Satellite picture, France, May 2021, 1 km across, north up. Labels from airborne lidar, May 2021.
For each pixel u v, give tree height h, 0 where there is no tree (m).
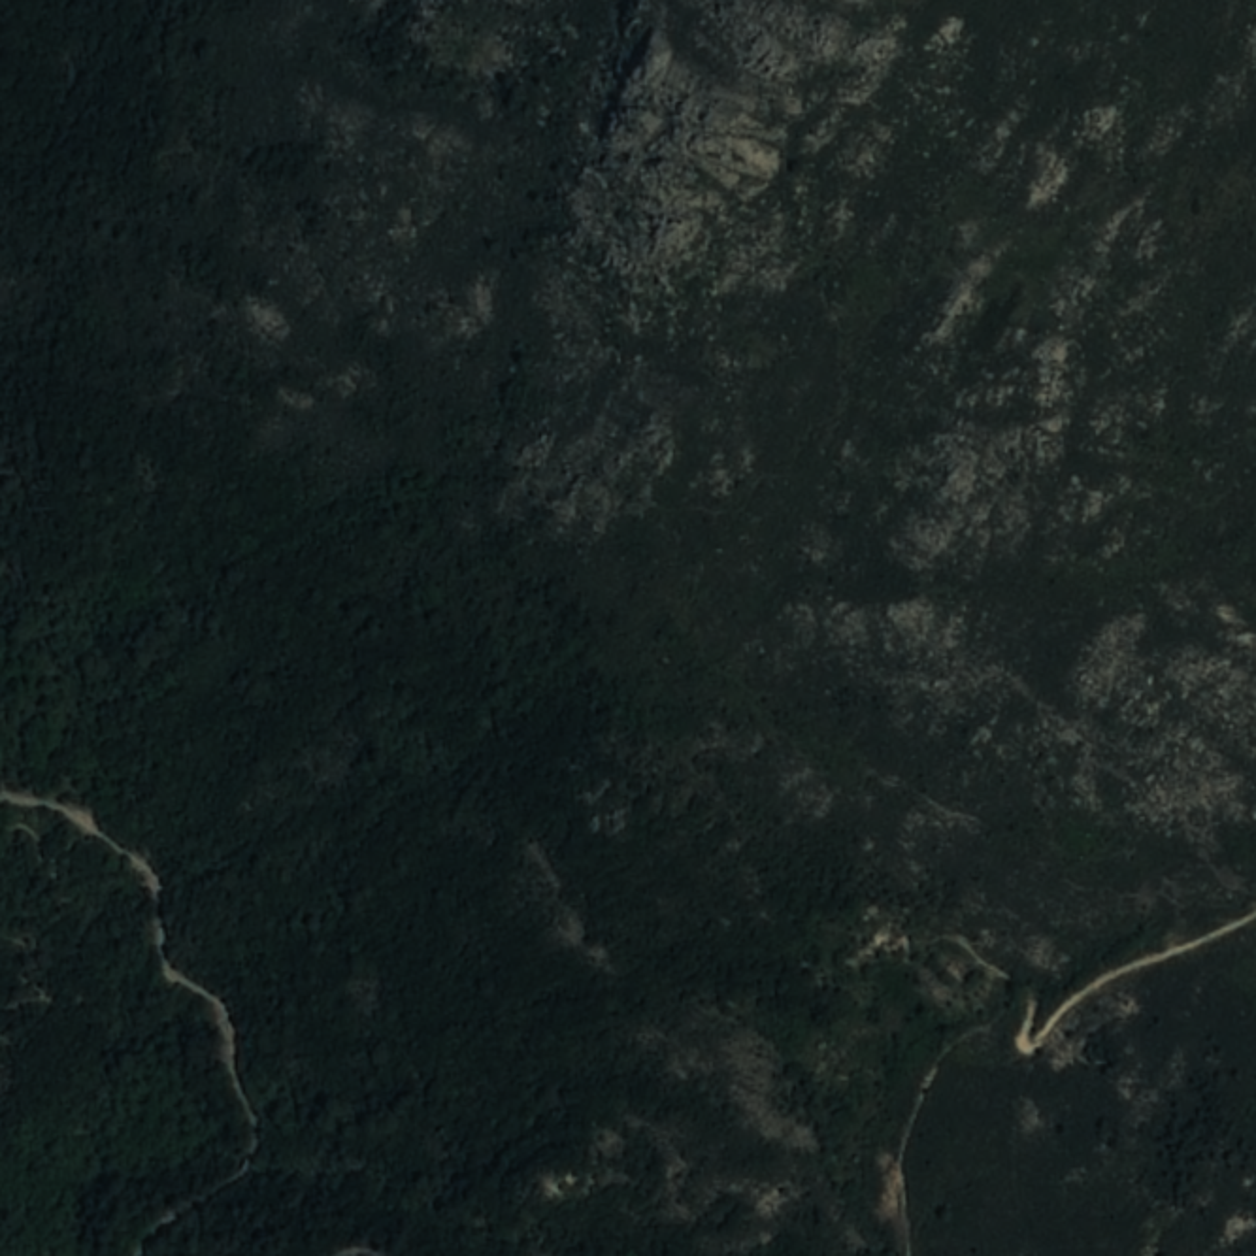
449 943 7
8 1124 14
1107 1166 0
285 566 11
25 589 13
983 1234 0
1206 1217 8
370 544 9
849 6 0
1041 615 0
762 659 6
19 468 15
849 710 11
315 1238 17
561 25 8
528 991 10
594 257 6
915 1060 6
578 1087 12
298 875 7
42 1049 17
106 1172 12
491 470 8
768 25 0
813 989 13
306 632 15
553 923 7
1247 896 0
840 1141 12
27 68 12
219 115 8
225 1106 13
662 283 14
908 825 0
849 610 0
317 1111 12
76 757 14
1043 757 7
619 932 6
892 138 0
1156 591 0
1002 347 0
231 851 6
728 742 0
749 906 9
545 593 10
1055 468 0
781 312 0
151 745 14
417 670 17
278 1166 13
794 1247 10
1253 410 0
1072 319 0
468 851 10
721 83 0
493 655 10
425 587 14
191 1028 16
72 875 9
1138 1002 0
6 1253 13
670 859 6
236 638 9
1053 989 7
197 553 14
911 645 0
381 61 13
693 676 7
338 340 6
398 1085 10
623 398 0
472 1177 17
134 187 14
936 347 0
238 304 7
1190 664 0
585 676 7
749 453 0
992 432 0
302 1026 10
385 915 10
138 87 10
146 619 15
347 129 0
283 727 16
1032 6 0
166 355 9
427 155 0
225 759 11
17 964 10
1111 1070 11
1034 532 0
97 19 10
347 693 12
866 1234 9
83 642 16
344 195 0
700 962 11
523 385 8
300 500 8
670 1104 7
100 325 6
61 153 12
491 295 0
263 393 7
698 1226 7
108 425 9
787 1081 5
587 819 8
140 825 6
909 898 8
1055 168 0
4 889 11
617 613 6
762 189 0
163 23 12
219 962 10
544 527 8
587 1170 8
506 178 8
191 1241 17
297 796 7
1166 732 0
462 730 13
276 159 7
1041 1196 0
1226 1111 12
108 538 7
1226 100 0
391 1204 13
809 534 0
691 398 0
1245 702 0
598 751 8
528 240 14
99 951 9
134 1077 12
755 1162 7
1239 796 0
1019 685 0
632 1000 12
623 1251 9
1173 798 0
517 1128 13
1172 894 0
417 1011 6
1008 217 0
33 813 12
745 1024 7
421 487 10
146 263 8
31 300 8
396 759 10
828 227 0
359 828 14
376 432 7
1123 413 0
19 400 13
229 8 6
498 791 18
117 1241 18
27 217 11
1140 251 0
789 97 0
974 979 12
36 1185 19
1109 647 0
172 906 13
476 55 0
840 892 9
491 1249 20
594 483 0
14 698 16
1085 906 0
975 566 0
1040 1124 0
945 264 0
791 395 0
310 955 14
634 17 9
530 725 14
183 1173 16
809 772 0
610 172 7
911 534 0
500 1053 14
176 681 9
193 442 7
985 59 0
